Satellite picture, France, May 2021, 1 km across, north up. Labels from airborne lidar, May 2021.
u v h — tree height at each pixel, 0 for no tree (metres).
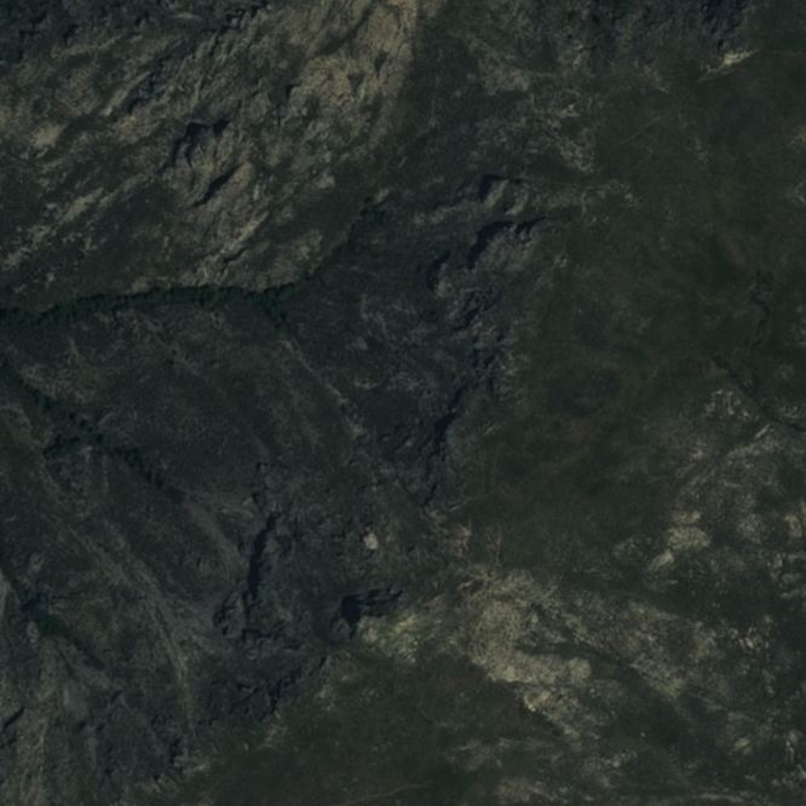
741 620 0
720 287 0
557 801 0
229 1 0
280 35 0
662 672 0
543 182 0
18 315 21
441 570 0
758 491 0
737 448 0
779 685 0
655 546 0
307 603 0
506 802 0
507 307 0
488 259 0
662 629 0
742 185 0
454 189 0
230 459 0
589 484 0
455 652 0
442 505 0
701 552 0
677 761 0
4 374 13
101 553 0
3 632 0
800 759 0
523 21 0
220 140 0
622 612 0
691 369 0
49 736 0
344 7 0
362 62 0
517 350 0
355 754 0
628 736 0
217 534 0
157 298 18
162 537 0
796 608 0
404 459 0
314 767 0
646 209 0
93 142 0
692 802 0
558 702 0
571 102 0
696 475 0
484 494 0
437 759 0
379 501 0
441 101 0
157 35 0
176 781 0
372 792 0
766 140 0
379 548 0
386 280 0
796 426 0
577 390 0
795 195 0
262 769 0
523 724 0
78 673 0
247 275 0
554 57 0
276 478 0
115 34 0
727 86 0
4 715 0
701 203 0
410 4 0
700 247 0
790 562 0
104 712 0
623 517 0
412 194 0
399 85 0
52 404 16
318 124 0
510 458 0
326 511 0
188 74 0
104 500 0
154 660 0
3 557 7
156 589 0
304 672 0
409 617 0
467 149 0
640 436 0
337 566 0
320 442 0
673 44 0
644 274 0
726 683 0
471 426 0
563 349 0
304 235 0
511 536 0
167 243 0
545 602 0
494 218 0
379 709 0
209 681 0
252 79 0
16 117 0
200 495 0
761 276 0
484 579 0
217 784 0
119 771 0
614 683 0
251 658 0
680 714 0
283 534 0
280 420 0
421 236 0
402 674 0
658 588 0
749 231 0
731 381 0
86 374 0
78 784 0
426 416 0
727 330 0
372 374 0
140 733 0
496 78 0
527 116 0
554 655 0
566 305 0
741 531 0
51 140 0
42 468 0
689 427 0
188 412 0
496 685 0
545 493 0
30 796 0
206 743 0
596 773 0
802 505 0
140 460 14
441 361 0
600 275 0
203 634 0
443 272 0
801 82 0
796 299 0
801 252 0
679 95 0
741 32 0
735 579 0
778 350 0
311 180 0
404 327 0
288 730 0
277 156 0
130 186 0
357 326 0
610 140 0
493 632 0
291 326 6
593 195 0
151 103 0
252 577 0
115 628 0
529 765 0
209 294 16
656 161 0
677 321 0
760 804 0
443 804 0
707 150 0
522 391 0
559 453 0
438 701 0
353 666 0
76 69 0
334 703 0
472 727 0
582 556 0
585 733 0
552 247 0
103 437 14
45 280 8
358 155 0
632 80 0
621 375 0
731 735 0
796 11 0
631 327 0
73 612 0
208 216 0
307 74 0
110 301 19
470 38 0
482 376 0
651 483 0
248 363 0
